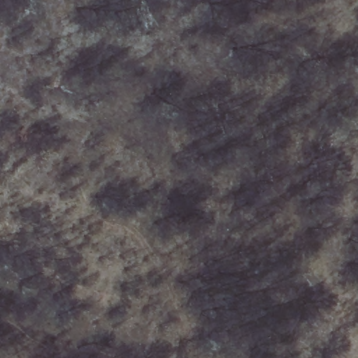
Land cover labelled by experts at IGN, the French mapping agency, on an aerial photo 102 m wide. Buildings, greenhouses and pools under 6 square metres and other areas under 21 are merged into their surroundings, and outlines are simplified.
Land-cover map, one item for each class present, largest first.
<instances>
[{"label":"coniferous trees","instance_id":"1","mask_svg":"<svg viewBox=\"0 0 358 358\"><path fill-rule=\"evenodd\" d=\"M0 358H358V0H0Z\"/></svg>","mask_w":358,"mask_h":358}]
</instances>
